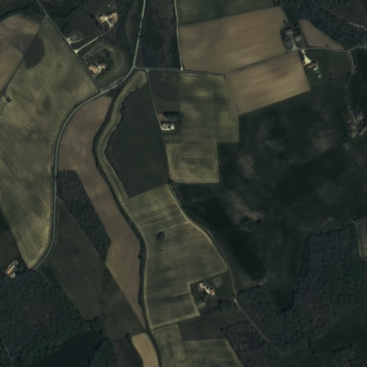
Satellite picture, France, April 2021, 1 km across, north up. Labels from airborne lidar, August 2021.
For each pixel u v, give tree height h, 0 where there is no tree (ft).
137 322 0
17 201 0
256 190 0
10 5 0
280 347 61
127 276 0
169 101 0
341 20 24
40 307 45
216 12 0
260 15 0
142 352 0
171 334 0
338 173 0
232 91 0
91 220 59
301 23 0
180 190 0
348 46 36
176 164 0
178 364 0
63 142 0
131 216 0
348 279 84
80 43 0
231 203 0
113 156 0
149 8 24
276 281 0
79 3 28
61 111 0
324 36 0
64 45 0
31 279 65
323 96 0
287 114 0
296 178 0
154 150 0
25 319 55
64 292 63
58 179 44
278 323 53
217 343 0
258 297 54
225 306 60
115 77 0
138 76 0
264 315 56
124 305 0
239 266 0
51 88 0
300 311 71
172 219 0
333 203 0
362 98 0
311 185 0
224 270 0
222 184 0
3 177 0
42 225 0
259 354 41
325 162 0
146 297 0
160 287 0
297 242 0
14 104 0
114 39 35
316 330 45
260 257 0
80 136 0
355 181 0
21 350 64
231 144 0
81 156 0
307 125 0
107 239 35
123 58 0
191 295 0
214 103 0
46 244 0
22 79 0
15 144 0
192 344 0
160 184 0
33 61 0
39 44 0
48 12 0
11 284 60
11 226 0
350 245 38
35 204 0
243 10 0
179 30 0
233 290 0
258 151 0
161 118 0
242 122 0
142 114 0
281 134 0
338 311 67
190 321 0
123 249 0
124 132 0
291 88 0
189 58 0
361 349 0
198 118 0
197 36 0
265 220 0
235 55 0
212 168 0
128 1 41
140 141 0
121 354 0
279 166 0
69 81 0
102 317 0
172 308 0
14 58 0
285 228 0
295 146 0
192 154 0
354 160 0
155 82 0
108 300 0
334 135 0
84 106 0
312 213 0
